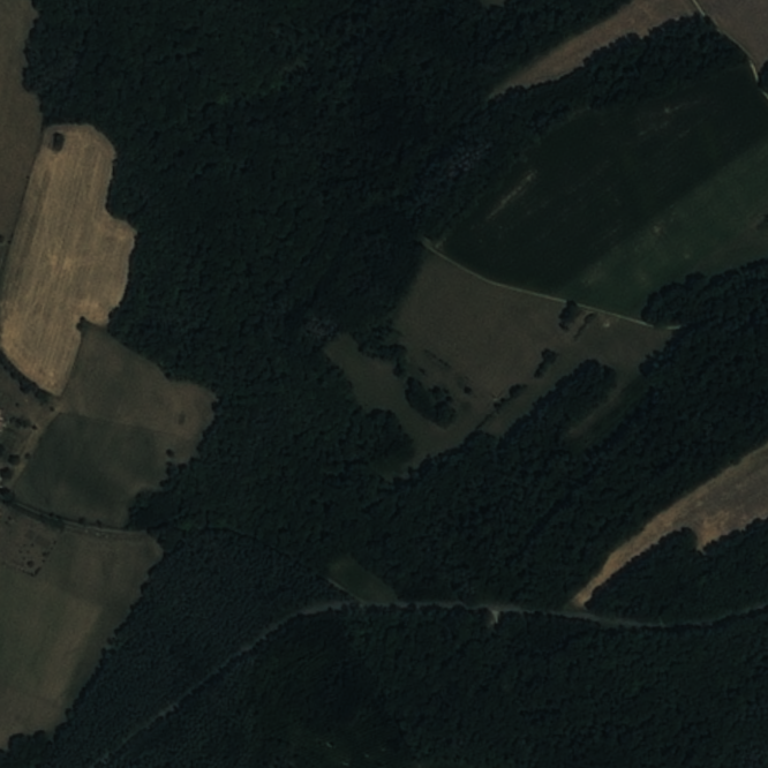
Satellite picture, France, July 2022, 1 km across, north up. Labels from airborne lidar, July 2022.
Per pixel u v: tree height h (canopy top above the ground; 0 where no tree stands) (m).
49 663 0
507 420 0
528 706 15
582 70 12
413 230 23
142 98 29
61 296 0
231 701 23
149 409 0
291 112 14
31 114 0
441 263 0
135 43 24
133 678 20
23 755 18
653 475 21
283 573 29
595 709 28
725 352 25
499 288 0
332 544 25
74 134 0
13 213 0
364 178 20
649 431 27
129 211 7
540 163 0
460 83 23
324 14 23
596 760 22
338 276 22
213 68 22
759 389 25
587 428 0
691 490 16
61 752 22
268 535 23
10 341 0
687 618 19
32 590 0
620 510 22
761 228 0
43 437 0
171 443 0
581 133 0
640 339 0
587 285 0
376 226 17
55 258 0
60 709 0
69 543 0
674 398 33
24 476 0
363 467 26
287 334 24
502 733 26
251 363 16
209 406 0
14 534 0
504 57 26
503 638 19
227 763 20
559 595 23
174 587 18
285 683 8
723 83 0
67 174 0
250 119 23
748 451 16
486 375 0
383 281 29
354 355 0
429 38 24
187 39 30
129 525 6
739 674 22
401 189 11
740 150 0
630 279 0
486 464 21
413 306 0
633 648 21
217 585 22
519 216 0
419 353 0
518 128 29
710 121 0
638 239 0
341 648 12
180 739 18
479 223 0
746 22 0
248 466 19
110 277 0
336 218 14
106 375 0
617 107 18
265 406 18
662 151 0
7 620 0
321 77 19
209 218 28
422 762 22
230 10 21
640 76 27
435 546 20
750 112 0
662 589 23
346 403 21
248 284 24
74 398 0
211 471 18
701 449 27
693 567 21
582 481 6
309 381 23
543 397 0
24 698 0
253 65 21
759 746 22
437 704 24
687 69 28
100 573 0
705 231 0
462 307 0
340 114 22
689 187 0
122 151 15
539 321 0
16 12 0
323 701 12
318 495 29
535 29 28
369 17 24
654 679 23
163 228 20
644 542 0
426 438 0
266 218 26
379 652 24
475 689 20
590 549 24
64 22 21
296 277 19
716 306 25
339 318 29
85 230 0
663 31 19
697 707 21
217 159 27
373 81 26
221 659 20
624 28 0
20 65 0
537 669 23
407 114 23
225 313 25
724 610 20
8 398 0
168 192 21
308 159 27
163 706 17
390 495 28
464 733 24
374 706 10
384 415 16
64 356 0
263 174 30
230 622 20
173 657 17
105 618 0
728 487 0
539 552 28
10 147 0
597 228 0
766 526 19
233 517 18
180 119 28
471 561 12
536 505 21
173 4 24
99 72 29
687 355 27
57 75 24
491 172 29
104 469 0
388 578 18
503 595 12
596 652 21
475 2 18
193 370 16
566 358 0
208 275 22
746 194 0
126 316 21
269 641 12
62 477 0
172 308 17
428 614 22
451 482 22
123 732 16
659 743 24
